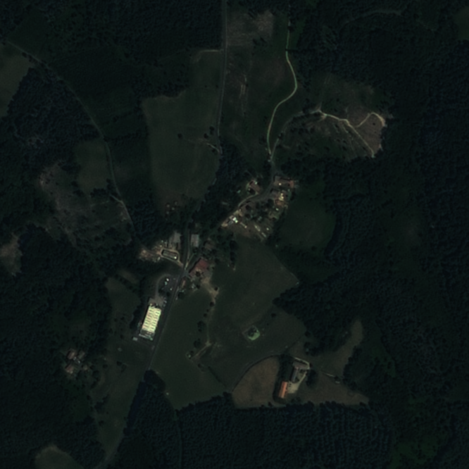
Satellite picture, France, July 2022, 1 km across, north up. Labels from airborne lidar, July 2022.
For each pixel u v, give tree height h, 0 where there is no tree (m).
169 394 0
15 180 31
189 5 20
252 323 0
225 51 0
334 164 6
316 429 42
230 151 14
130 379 0
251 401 0
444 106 16
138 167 0
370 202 32
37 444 23
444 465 27
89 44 5
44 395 27
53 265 22
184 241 8
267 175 7
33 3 16
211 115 0
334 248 29
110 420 0
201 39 13
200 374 0
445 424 22
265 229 0
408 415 8
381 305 21
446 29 21
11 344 23
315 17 15
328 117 0
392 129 23
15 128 25
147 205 13
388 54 27
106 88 6
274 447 24
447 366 19
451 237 31
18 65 0
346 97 0
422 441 8
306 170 21
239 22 0
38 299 25
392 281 26
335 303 24
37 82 26
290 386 0
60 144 18
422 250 6
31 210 20
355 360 13
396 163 33
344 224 29
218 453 29
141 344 0
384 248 19
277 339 0
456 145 31
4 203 31
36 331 27
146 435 25
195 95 0
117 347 0
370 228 26
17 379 26
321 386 0
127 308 0
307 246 0
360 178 15
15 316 27
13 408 26
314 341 0
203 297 0
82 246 18
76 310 20
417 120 21
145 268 11
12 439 23
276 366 0
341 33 17
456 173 33
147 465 10
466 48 24
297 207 0
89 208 0
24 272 24
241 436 15
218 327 0
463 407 18
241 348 0
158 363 0
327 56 19
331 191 16
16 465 9
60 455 0
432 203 18
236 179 21
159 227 16
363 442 44
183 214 7
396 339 24
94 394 0
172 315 0
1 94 0
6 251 0
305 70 23
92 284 18
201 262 0
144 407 25
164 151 0
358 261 33
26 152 23
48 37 15
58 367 10
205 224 8
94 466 24
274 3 24
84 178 0
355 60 28
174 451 31
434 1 20
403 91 29
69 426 23
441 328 8
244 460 13
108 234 15
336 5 21
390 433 40
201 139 0
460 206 26
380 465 35
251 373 0
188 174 0
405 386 8
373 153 0
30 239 30
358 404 0
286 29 0
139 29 11
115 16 33
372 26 11
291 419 41
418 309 23
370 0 21
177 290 0
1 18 17
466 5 20
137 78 13
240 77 0
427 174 30
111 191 16
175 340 0
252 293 0
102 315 15
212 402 10
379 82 24
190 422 29
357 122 0
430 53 19
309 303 22
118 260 15
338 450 42
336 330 8
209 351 0
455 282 22
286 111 0
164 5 15
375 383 17
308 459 35
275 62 0
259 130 0
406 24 16
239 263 0
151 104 0
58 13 24
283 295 12
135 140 9
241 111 0
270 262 0
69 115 23
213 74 0
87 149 0
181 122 0
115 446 0
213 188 14
